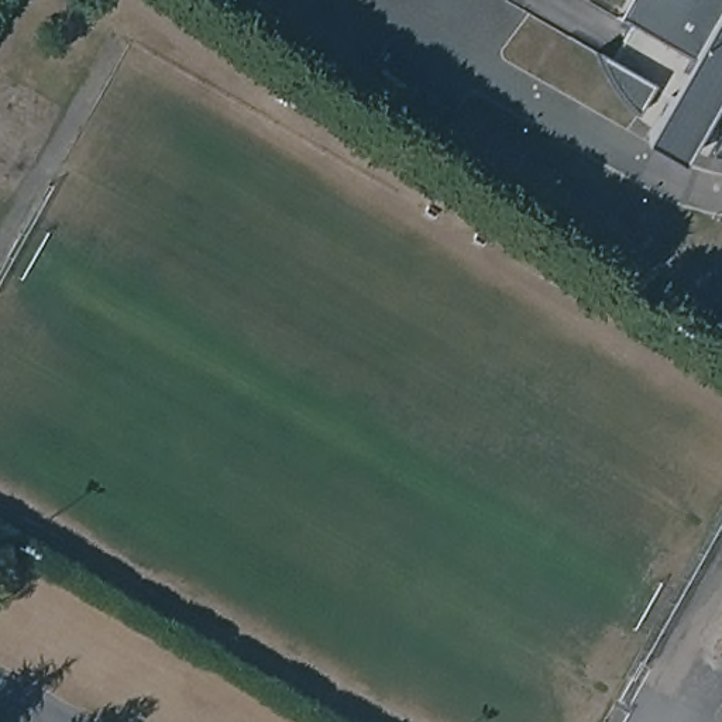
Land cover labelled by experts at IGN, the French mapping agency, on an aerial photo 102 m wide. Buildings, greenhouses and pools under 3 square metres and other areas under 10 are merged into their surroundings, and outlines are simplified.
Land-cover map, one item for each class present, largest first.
<instances>
[{"label":"herbaceous vegetation","instance_id":"1","mask_svg":"<svg viewBox=\"0 0 722 722\"><path fill-rule=\"evenodd\" d=\"M68 0H31L25 11L14 20V28L6 37V42L0 45V226L14 209L11 192H17L20 186L17 172L42 166L54 175L51 186H45L42 197L28 212V237L23 243L14 240L6 254L3 265L8 271L0 285V671L11 674L28 668L31 685L48 699H56L59 705L71 708L76 716L121 705L133 719L141 722H290L268 705H262L257 697L223 680L220 674L181 660L169 649L158 646L152 637L90 606L71 589L56 587L51 581H34V561L28 558L25 547H51L54 553L65 556L68 561H76L82 570L121 589L127 598L220 643L243 663L288 683L307 699L336 711L350 722H620V694L626 688L629 674L637 663H649L657 640L663 637L677 606L683 604L691 581L697 578L711 544L722 533V395L711 386H702L694 375L677 369L674 361L632 341L623 330H618L612 319H589L578 307L575 296L564 293L536 265L513 259L510 254H505L499 243H482L474 226H468L457 212H448L443 200H429L417 189L406 186L389 169L372 166L367 158L355 155L330 130L302 116L296 104L268 93V87L240 73L217 51L189 37L183 28H178L169 17L158 14L144 0H118L116 8H110L87 28L85 17L65 11ZM42 23L51 31H62V37L71 42L65 56L42 54L37 42ZM499 59L508 68L527 76L530 82L547 79V90L564 96L567 102L578 104L581 110L598 116L601 121L623 133L632 130L635 113L606 76V56L561 34L558 28L542 23L539 17L525 14L502 42ZM691 228L685 240L666 257V274L680 276L685 285L708 290V296L722 305V220L688 212ZM705 663L711 668H722V604L716 620L705 632Z\"/></svg>","mask_w":722,"mask_h":722},{"label":"impervious surface","instance_id":"2","mask_svg":"<svg viewBox=\"0 0 722 722\"><path fill-rule=\"evenodd\" d=\"M623 0H254L251 11L259 14L262 39L282 37L285 45L296 51L310 71H322L327 82H333L338 90H350L367 110L389 107L392 116L398 107L409 102V118H415L426 130V138L446 144V152L454 155L465 172L479 169L482 186H522V214L530 206H542L547 214H553L561 203L573 209V214L581 223H598L609 228L618 237L620 248L632 251L651 271L666 274V257L685 240L691 228L688 212L722 220V169L691 164L680 166L668 161L657 152L654 141H649V124L643 121V113H635L632 130L623 133L601 121L598 116L581 110L578 104L567 102L564 96L547 90V79L530 82L527 76L508 68L499 59L502 42L525 14L539 17L542 23L558 28L561 34L606 56H615L623 48L626 31L635 28L629 11H620ZM54 175L42 166L17 172L20 186L17 192H11L14 209L0 226V285L8 271L3 265L6 254L14 240L23 243L28 237V212L42 197L45 186H51ZM722 604V533L711 544L697 578L691 581L683 604L677 606L663 637L657 640L649 663H637L629 674L626 688L620 694V722H722V668H711L705 663V632L716 620ZM0 722H141L133 719L121 705L76 716L71 708L59 705L56 699H48L31 685L28 668L11 674L0 671Z\"/></svg>","mask_w":722,"mask_h":722},{"label":"deciduous trees","instance_id":"3","mask_svg":"<svg viewBox=\"0 0 722 722\"><path fill-rule=\"evenodd\" d=\"M31 0H0V45L6 42V37L14 28V20L25 11ZM118 0H68L65 11L85 17L87 28L110 8H116ZM158 14L169 17L178 28H183L189 37L217 51L240 73L268 87V93L296 104L302 116L330 130L355 155L367 158L372 166L389 169L406 186L417 189L429 200H443L448 212H457L468 226H474L482 243H499L505 254H510L513 259L536 265L564 293L575 296L578 307L589 319H612L618 330H623L632 341L674 361L677 369L694 375L702 386H711L722 395V305L708 296V290L685 285L680 276L666 274L651 271L632 251L620 248L618 237L609 228L598 223H581L573 214V209L561 203L553 214H547L542 206H530L522 214V186H482L479 169L465 172L454 155L446 152V144L426 138V130L415 118H409V102L398 107L392 116L389 107L367 110L350 90H338L333 82H327L322 71H310L296 51L285 45L282 37L262 39L259 14L251 11L254 0H144ZM37 42L42 54L65 56L71 42L62 37V31H51L42 23ZM28 558L34 561V581H51L56 587L71 589L90 606L152 637L158 646L169 649L181 660L220 674L223 680L257 697L262 705H268L290 722H350L336 711L307 699L288 683L243 663L220 643L127 598L121 589L82 570L76 561H68L65 556L54 553L51 547H25Z\"/></svg>","mask_w":722,"mask_h":722},{"label":"building","instance_id":"4","mask_svg":"<svg viewBox=\"0 0 722 722\"><path fill-rule=\"evenodd\" d=\"M620 11H629L635 28L626 31L623 48L615 56H606V76L635 113H643V121L649 124V141H654L657 152L668 161L680 166L691 164L722 169V0H623Z\"/></svg>","mask_w":722,"mask_h":722}]
</instances>
